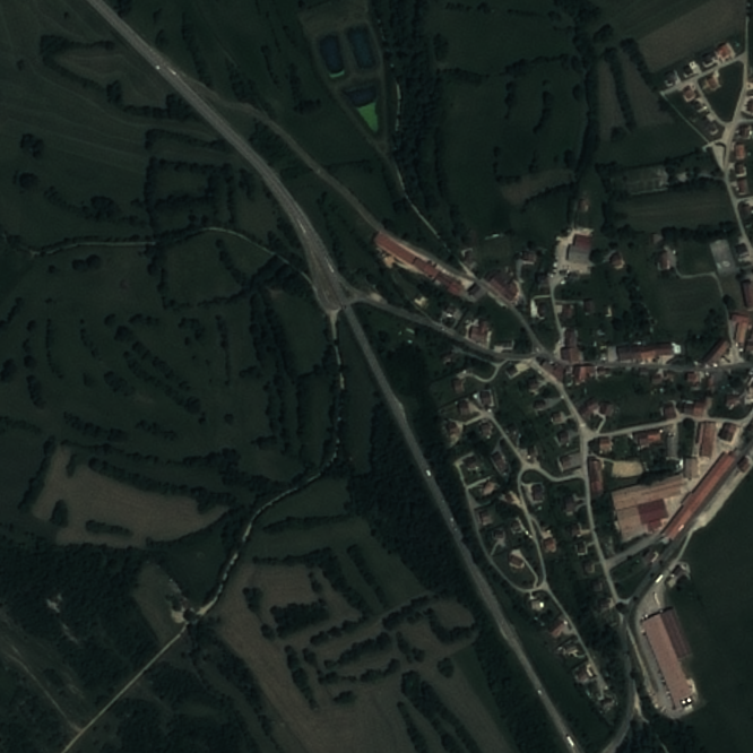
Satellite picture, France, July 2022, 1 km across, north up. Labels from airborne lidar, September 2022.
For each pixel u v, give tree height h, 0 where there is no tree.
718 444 0
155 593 0
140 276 0
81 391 0
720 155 0
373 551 0
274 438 10
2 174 0
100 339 0
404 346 7
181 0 0
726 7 0
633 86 0
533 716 6
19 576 7
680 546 0
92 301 0
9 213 0
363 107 0
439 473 13
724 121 0
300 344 0
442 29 0
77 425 11
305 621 9
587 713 0
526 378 5
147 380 10
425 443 7
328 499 0
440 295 10
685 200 0
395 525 8
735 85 0
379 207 0
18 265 0
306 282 10
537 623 11
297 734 0
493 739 0
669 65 0
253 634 0
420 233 6
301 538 0
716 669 0
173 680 7
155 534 0
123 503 0
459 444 9
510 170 0
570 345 0
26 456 0
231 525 15
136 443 0
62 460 0
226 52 0
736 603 0
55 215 0
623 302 0
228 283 0
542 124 9
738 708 0
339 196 0
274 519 0
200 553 0
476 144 0
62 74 6
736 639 0
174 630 0
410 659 6
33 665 0
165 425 0
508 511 8
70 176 0
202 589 0
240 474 13
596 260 15
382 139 0
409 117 7
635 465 0
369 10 0
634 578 0
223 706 8
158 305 0
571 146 0
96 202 15
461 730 8
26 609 6
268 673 0
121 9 10
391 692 0
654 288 0
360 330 0
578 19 9
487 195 0
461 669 0
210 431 0
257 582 0
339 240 13
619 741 0
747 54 0
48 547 9
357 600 7
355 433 0
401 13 18
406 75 7
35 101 0
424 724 0
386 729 0
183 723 8
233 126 0
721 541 0
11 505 0
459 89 0
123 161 0
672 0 0
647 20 0
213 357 0
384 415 18
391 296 10
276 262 15
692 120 0
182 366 0
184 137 6
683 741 20
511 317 0
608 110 0
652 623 0
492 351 0
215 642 6
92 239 8
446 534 19
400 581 0
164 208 19
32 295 0
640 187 0
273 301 7
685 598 0
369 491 11
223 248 13
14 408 0
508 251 0
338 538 0
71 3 0
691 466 0
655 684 0
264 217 0
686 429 11
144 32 0
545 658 0
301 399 14
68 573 9
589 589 5
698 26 0
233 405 0
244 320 0
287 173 6
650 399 0
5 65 0
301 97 7
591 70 15
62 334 0
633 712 0
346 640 0
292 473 0
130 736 6
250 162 0
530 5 0
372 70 0
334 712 0
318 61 0
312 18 0
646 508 0
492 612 0
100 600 8
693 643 0
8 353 0
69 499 0
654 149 0
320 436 0
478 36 0
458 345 8
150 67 0
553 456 0
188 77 0
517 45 0
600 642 20
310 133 0
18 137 0
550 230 0
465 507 11
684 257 0
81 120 0
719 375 0
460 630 12
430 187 14
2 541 5
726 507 0
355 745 0
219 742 9
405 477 12
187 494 11
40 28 0
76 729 0
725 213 0
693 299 0
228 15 0
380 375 0
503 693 10
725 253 0
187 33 12
